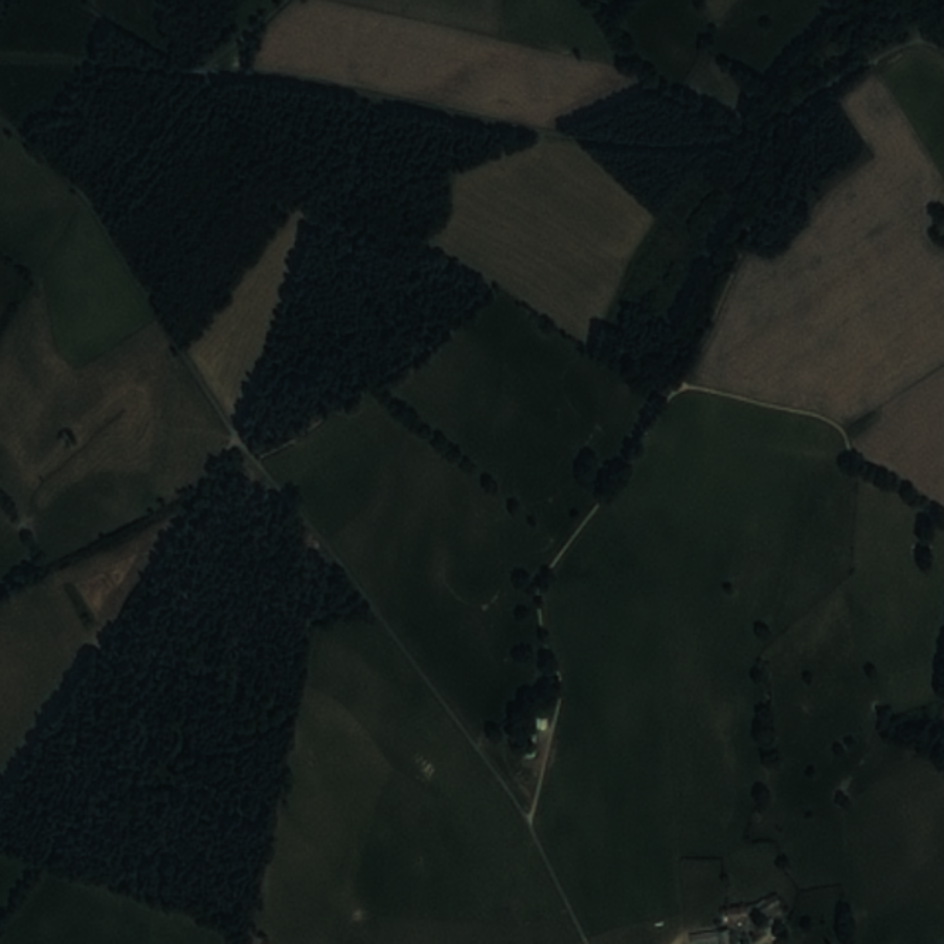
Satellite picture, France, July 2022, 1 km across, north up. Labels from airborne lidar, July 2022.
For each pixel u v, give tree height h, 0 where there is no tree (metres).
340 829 0
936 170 0
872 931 0
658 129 27
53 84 0
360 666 0
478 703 0
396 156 25
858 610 0
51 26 0
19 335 0
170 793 6
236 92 21
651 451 0
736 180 21
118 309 0
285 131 24
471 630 0
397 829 0
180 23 23
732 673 0
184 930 0
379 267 31
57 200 0
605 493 22
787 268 0
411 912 0
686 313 26
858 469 14
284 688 21
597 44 0
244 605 26
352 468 0
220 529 20
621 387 0
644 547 0
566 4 0
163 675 30
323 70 0
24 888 15
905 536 0
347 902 0
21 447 0
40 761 27
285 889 0
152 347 0
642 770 0
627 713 0
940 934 0
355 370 25
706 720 0
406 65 0
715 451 0
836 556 0
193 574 29
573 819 0
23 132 13
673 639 0
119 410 0
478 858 0
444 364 0
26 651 0
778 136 27
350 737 0
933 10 20
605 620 0
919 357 0
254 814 9
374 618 14
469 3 0
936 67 0
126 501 0
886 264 0
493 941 0
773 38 0
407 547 0
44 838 24
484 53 0
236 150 19
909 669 0
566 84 0
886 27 17
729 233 23
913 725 18
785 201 36
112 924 0
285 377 25
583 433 0
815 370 0
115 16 0
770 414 0
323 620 25
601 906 0
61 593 0
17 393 0
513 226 0
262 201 20
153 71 16
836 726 0
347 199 21
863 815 0
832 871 0
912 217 0
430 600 0
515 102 0
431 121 23
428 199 23
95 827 24
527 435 0
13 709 0
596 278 0
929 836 0
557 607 0
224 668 24
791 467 0
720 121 22
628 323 23
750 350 0
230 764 29
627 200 0
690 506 0
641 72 21
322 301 24
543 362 0
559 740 0
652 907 0
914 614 0
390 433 0
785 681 0
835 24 14
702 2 17
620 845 0
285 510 32
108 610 0
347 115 25
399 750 0
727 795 0
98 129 21
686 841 0
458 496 0
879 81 0
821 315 0
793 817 0
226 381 0
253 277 0
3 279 0
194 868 32
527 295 0
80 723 32
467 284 16
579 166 0
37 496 0
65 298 0
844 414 0
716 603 0
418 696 0
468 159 25
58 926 0
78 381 0
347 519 0
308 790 0
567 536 0
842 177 0
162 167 22
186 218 20
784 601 0
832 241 0
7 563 0
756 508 0
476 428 0
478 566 0
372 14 0
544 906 0
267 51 0
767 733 23
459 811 0
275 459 0
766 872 0
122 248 12
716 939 0
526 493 0
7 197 0
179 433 0
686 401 0
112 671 26
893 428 0
